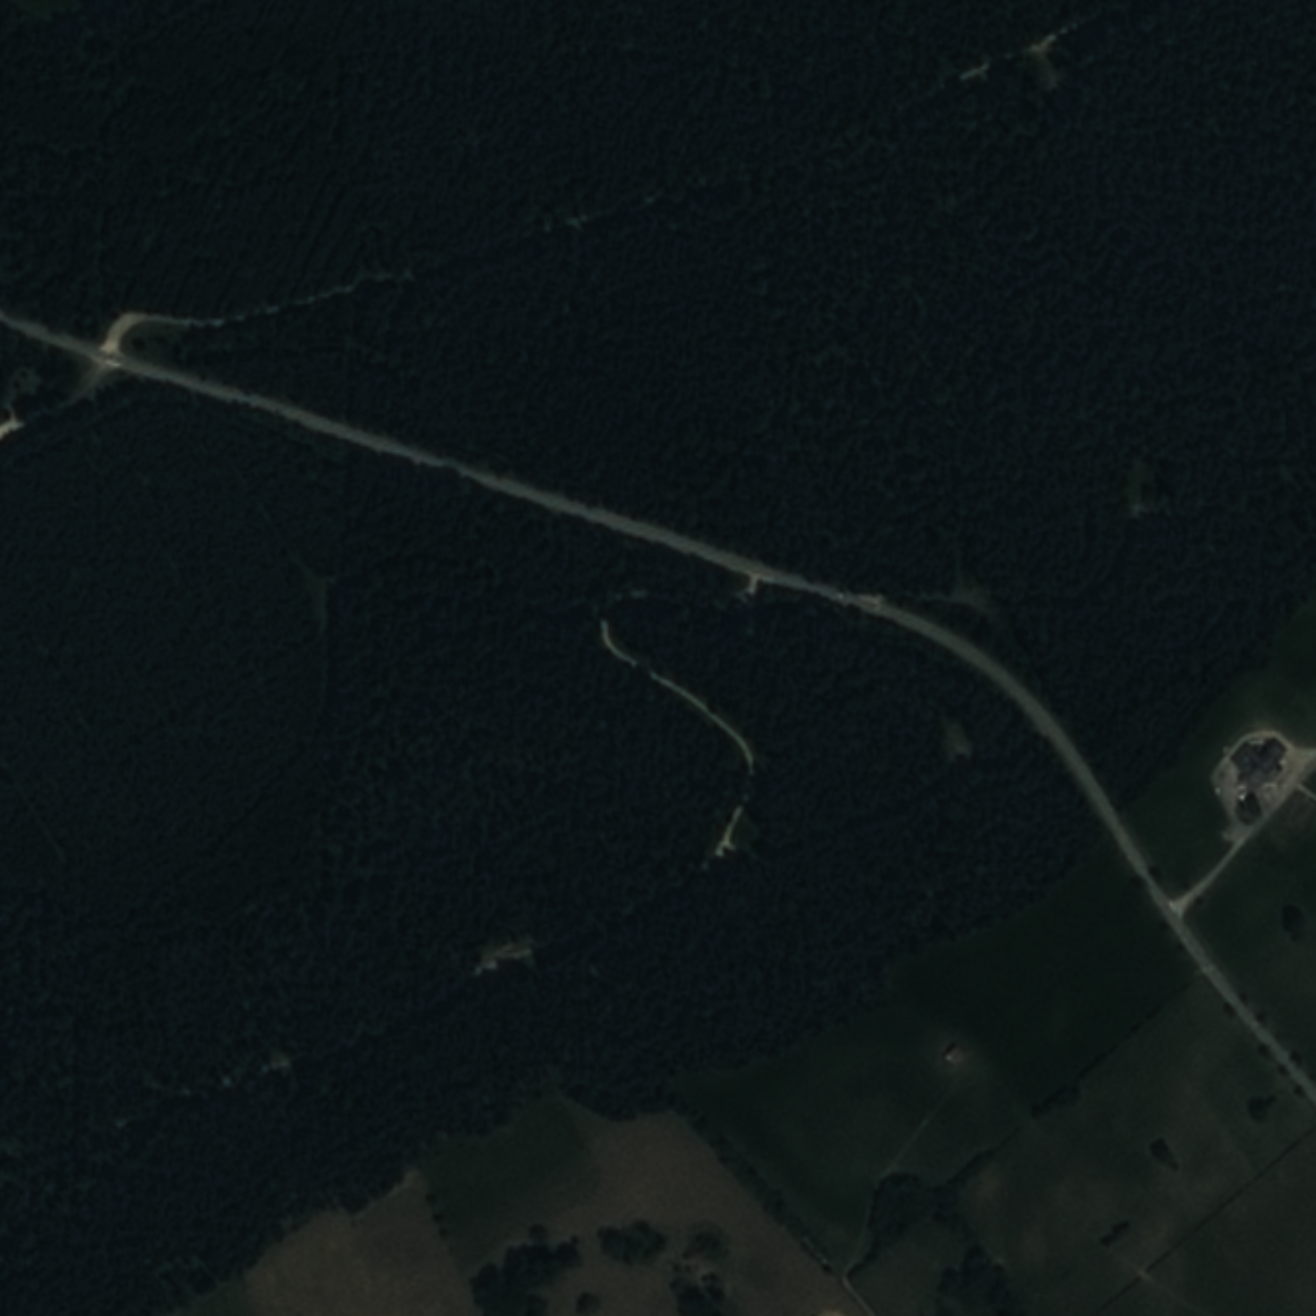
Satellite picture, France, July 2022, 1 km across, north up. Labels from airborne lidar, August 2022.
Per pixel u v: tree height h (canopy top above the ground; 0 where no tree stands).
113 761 12
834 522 26
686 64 30
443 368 29
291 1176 23
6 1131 21
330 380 15
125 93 6
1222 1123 0
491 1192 0
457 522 23
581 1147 0
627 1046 31
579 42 22
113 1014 17
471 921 25
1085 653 26
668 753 19
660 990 33
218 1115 23
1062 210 33
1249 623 24
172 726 14
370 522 22
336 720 23
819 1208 0
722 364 24
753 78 32
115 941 17
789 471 29
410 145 23
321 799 14
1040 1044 0
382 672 29
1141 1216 0
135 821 19
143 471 17
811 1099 0
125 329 0
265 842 15
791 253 33
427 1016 25
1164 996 0
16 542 17
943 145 29
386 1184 23
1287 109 32
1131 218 38
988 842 26
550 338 25
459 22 27
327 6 17
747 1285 0
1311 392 20
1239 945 0
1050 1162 0
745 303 28
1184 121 28
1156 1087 0
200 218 16
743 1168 7
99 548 17
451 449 23
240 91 11
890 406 32
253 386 20
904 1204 10
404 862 27
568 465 24
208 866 16
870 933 29
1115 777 19
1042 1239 0
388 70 28
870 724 30
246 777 21
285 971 29
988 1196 0
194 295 14
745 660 28
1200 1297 0
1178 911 0
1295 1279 0
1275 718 0
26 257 25
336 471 16
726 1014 27
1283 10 36
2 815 17
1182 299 36
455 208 32
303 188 15
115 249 17
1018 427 31
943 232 30
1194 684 18
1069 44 7
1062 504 31
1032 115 25
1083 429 36
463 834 28
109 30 25
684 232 31
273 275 15
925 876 27
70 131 13
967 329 30
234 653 17
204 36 18
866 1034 0
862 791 25
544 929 22
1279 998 0
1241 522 26
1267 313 34
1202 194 38
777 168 31
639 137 28
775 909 27
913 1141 0
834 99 32
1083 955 0
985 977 0
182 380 0
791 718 27
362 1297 0
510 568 23
